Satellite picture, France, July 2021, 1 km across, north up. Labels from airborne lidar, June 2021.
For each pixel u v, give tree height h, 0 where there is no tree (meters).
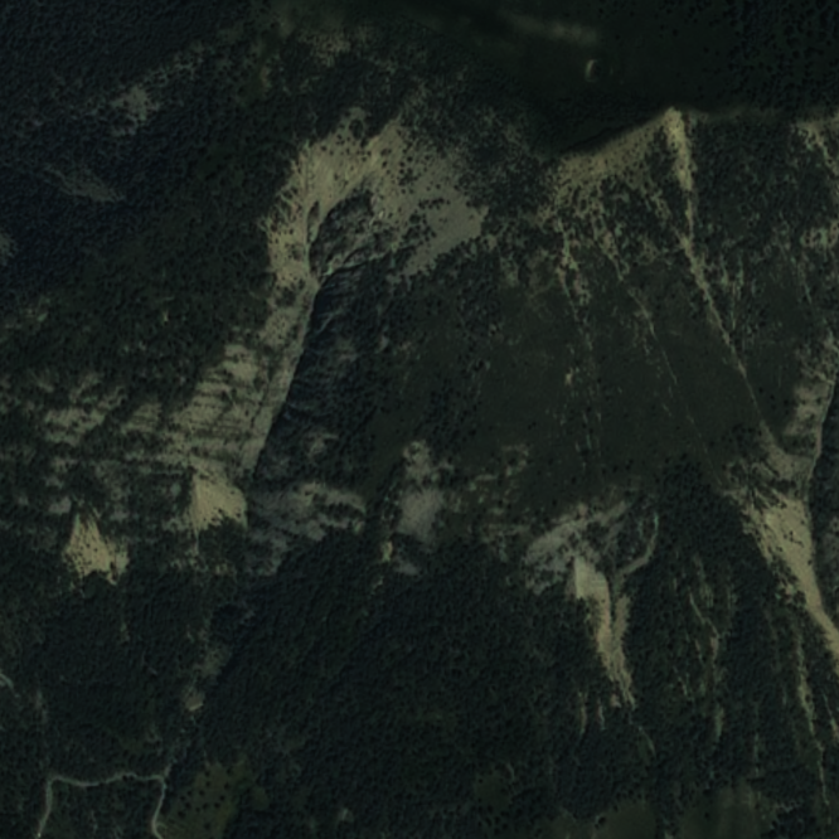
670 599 8
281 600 13
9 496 8
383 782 10
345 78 11
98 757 11
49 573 12
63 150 15
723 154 7
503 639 11
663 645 7
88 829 12
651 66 0
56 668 13
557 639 8
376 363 6
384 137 0
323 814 10
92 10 11
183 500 9
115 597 10
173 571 10
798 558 0
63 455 11
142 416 0
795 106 7
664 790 11
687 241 0
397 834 11
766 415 0
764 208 7
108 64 11
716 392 0
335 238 7
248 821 14
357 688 8
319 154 0
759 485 7
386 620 11
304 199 0
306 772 12
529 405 0
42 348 14
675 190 9
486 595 11
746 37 11
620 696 7
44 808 9
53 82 16
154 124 7
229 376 5
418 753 11
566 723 8
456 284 6
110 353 9
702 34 0
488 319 8
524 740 9
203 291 15
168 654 6
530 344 0
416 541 8
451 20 0
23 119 15
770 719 10
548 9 0
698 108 0
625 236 6
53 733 9
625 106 7
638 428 0
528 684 8
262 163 9
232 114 10
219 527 9
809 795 12
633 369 0
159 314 9
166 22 7
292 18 0
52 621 14
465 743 14
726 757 11
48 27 13
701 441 0
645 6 0
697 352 0
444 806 9
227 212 13
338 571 8
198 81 9
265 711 10
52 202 9
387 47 5
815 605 0
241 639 8
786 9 10
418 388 0
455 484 10
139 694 12
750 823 0
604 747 10
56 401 9
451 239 0
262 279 13
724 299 7
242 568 9
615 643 0
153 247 10
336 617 9
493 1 0
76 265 13
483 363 11
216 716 11
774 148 9
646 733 7
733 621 6
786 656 9
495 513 0
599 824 7
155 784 9
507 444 0
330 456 8
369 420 14
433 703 8
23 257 9
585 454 11
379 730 10
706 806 0
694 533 7
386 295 9
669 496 7
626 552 6
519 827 10
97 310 12
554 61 0
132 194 11
